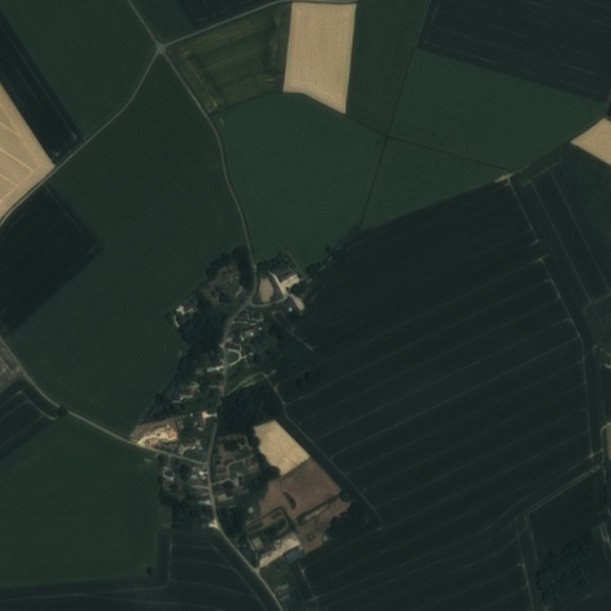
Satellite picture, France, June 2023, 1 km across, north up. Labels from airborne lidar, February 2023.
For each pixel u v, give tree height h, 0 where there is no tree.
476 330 0
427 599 0
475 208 0
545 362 0
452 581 0
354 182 0
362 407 0
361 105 0
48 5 0
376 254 0
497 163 0
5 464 0
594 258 0
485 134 0
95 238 0
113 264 0
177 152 0
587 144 0
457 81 0
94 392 0
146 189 0
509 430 0
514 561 0
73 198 0
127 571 0
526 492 0
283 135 0
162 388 0
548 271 0
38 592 0
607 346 0
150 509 0
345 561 0
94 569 0
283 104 0
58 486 0
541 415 0
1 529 0
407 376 0
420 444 0
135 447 0
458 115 0
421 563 0
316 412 0
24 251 0
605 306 0
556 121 0
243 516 11
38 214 0
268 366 0
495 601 0
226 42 0
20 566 0
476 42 0
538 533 0
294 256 0
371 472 0
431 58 0
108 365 0
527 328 0
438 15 0
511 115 0
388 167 0
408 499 0
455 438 0
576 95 0
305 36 0
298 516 0
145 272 0
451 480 0
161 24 0
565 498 0
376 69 0
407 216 0
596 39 0
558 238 0
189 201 0
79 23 0
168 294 0
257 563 10
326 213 0
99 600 0
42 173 0
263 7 0
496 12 0
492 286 0
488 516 0
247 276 7
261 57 0
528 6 0
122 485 0
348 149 0
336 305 0
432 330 0
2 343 0
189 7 0
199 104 0
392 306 0
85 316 0
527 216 0
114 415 0
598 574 21
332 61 0
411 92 0
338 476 0
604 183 0
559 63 0
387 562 0
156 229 0
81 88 0
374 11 0
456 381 0
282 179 0
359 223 0
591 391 0
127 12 0
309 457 0
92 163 0
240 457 0
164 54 0
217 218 0
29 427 0
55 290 0
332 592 0
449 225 0
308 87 0
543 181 0
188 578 0
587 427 0
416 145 0
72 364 0
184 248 0
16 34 0
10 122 0
